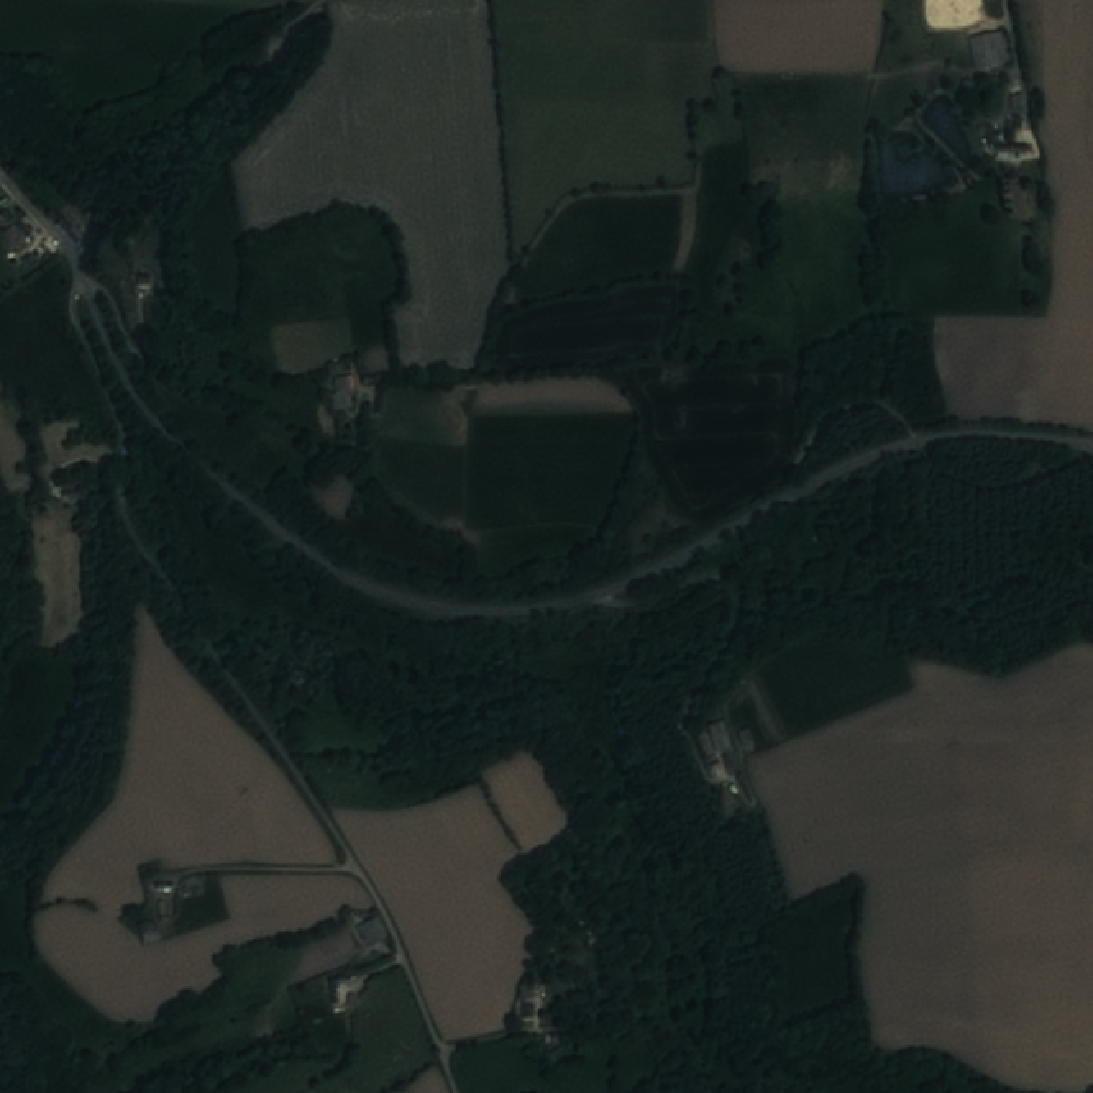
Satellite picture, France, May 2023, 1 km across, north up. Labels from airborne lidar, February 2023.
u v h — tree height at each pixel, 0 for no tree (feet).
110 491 36
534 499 0
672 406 0
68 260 0
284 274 0
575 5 0
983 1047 0
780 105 0
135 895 0
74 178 39
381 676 95
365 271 0
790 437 0
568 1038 32
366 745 0
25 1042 61
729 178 0
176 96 26
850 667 0
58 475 33
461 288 0
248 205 0
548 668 0
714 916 30
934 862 0
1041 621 28
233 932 0
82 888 0
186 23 0
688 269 0
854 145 0
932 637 58
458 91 0
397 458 0
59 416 48
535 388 0
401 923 0
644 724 62
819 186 0
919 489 65
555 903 47
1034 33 0
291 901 0
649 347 0
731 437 0
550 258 0
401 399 0
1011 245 0
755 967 46
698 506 0
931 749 0
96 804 47
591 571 68
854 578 44
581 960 0
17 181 26
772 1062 65
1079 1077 0
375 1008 0
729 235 0
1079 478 59
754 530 50
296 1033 24
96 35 0
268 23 55
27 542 30
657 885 78
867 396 56
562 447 0
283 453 0
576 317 0
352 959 0
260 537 47
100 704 68
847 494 51
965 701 0
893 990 0
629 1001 41
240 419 41
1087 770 0
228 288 0
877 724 0
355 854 0
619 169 0
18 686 0
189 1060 26
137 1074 0
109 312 53
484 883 0
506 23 0
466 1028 0
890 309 27
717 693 21
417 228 0
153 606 69
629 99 0
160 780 0
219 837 0
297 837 0
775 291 0
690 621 38
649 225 0
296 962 0
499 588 39
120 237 24
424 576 27
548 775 48
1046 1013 0
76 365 0
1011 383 0
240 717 36
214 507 69
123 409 42
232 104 86
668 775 68
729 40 0
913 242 0
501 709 72
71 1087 53
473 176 0
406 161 0
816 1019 44
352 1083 0
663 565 0
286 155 0
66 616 0
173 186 82
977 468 57
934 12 0
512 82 0
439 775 41
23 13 0
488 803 18
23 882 28
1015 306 0
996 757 0
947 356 0
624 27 0
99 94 0
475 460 0
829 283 0
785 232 0
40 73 52
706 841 67
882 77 0
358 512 31
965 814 0
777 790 0
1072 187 0
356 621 63
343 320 0
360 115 0
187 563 55
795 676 0
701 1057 25
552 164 0
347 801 0
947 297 0
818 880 0
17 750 0
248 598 0
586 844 35
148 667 0
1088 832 0
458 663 61
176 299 59
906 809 0
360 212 27
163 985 0
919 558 50
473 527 0
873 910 0
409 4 0
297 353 0
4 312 0
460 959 0
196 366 23
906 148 0
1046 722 0
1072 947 0
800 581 20
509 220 29
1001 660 61
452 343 0
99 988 0
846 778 0
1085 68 0
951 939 0
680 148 0
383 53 0
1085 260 0
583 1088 0
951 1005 0
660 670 42
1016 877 0
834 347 44
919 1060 45
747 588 38
